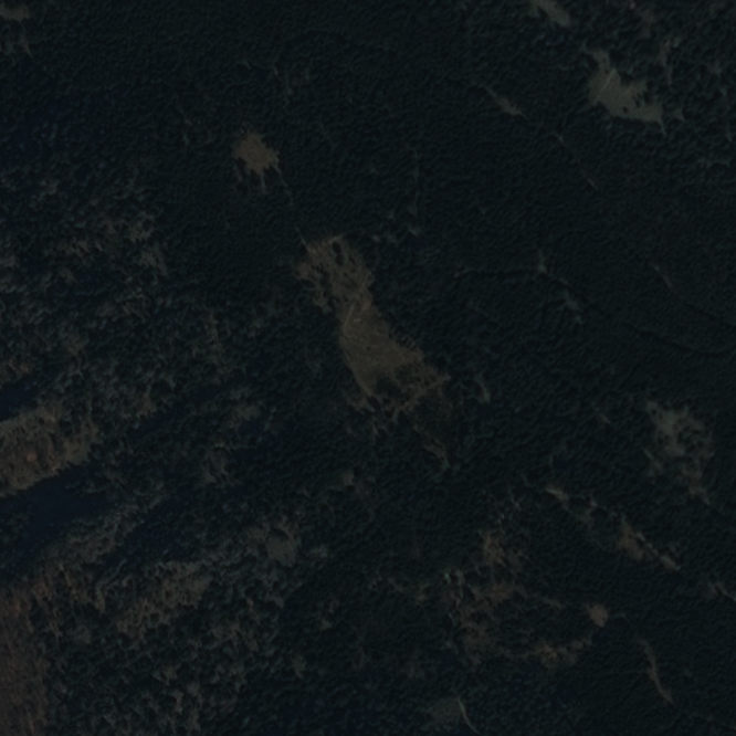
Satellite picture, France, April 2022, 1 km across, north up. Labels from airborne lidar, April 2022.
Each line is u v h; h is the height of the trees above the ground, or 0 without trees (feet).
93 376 93
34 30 105
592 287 65
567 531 67
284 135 101
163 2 100
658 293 71
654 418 21
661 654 56
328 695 97
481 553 48
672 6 82
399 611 80
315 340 89
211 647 51
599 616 0
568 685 25
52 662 50
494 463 66
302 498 58
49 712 35
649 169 92
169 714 95
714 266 85
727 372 61
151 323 71
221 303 37
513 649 28
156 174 58
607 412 56
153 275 58
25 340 107
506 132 86
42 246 43
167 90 80
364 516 71
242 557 40
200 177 77
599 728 24
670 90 78
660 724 34
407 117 101
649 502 103
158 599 24
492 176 88
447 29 82
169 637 105
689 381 52
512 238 86
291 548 0
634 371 49
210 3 78
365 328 0
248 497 106
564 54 94
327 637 82
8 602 85
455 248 89
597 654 33
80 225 54
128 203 65
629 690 32
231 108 86
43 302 81
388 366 0
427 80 94
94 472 32
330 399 86
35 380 57
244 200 70
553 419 123
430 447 30
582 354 64
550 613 45
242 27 77
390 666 56
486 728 91
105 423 63
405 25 80
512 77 66
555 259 60
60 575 90
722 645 84
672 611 94
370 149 92
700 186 67
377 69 101
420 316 113
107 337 152
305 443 103
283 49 83
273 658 157
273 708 88
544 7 0
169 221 77
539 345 76
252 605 94
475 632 30
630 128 67
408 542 49
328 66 95
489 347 24
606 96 0
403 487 74
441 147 86
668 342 65
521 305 76
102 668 105
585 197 81
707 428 25
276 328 146
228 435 36
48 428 31
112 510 52
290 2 71
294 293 86
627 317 56
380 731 137
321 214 101
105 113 93
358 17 78
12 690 78
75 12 104
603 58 0
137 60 77
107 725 95
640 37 97
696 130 71
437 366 38
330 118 91
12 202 30
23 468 63
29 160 67
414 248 104
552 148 73
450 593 48
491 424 113
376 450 61
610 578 92
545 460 92
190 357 63
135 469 97
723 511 44
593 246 66
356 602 56
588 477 110
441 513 65
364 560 69
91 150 81
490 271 53
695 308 65
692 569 69
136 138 84
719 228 74
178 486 76
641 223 76
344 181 101
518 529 33
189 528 78
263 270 90
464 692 92
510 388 114
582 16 98
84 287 114
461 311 113
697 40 72
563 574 69
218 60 96
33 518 55
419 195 76
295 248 76
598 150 70
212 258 72
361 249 62
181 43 89
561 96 73
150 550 66
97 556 87
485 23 97
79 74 77
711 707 44
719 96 35
